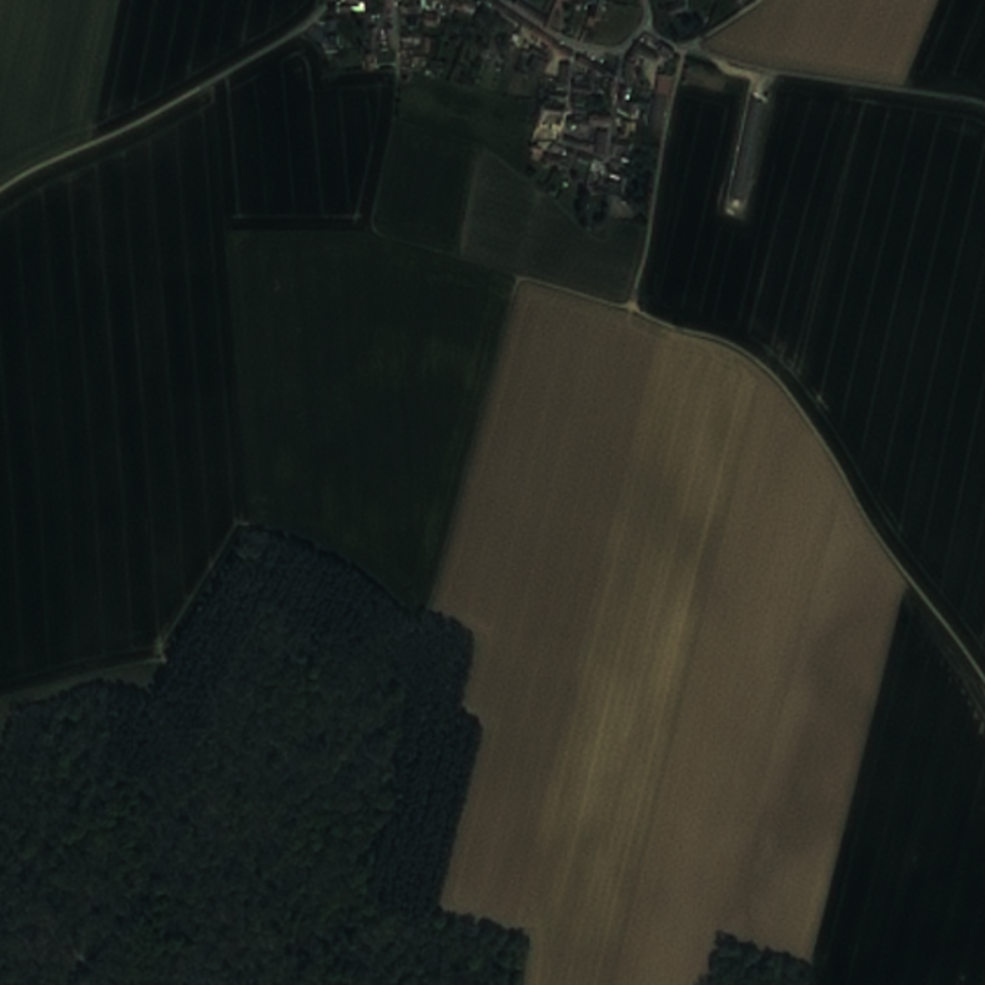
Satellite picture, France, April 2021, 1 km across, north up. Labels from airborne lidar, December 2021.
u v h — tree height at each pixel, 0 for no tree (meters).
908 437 0
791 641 0
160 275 0
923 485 0
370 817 19
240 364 0
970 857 0
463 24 11
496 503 0
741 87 0
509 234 0
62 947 25
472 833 0
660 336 0
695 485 0
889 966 0
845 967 0
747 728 0
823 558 0
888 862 0
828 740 0
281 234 0
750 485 0
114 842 24
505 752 0
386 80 0
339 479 0
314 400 0
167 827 20
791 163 0
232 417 0
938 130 0
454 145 0
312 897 23
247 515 0
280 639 18
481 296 0
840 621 0
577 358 0
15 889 21
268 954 24
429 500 0
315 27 0
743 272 0
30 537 0
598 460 0
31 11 0
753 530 0
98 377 0
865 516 0
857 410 0
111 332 0
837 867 0
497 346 0
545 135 0
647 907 0
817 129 0
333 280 0
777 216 0
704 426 0
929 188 0
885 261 0
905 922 0
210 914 15
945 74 0
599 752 0
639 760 0
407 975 21
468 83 11
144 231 0
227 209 0
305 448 0
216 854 19
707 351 0
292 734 20
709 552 0
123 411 0
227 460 0
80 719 13
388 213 0
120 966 21
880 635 0
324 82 0
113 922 23
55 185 0
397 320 0
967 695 0
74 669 0
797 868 0
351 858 25
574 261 0
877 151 0
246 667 19
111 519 0
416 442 0
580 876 0
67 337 0
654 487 0
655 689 0
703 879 0
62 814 19
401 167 0
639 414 0
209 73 0
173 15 0
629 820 0
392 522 0
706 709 0
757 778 0
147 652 0
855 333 0
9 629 0
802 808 0
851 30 0
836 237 0
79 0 0
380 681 23
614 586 0
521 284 0
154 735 18
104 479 0
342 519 0
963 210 0
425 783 21
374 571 0
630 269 0
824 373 0
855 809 0
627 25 0
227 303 0
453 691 17
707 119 0
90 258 0
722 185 0
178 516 0
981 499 0
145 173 0
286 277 0
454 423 0
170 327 0
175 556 0
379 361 0
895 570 0
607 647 0
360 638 21
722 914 0
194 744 16
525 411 0
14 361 0
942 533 0
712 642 0
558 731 0
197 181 0
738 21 0
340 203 0
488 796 0
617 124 0
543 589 0
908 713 0
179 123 0
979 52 0
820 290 0
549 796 0
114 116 0
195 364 0
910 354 0
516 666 0
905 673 0
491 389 0
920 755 0
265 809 26
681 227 0
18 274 0
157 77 0
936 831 0
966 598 0
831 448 0
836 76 0
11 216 0
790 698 0
